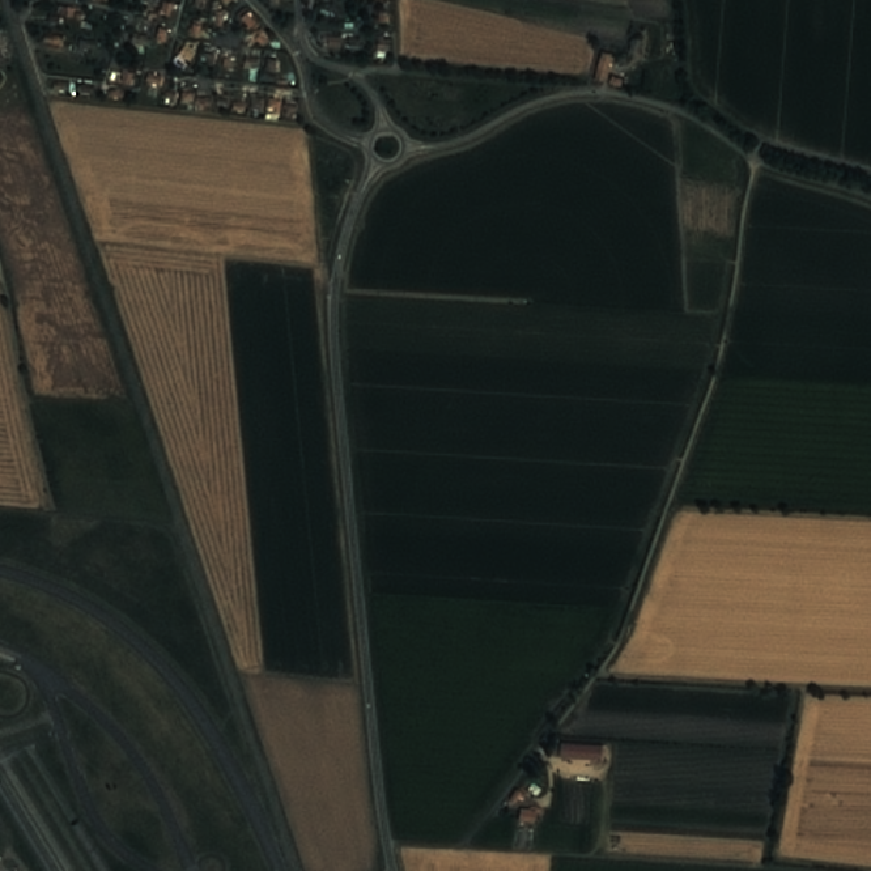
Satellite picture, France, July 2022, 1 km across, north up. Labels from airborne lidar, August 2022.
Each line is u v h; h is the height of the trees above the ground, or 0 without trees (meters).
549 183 0
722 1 0
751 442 0
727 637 0
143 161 0
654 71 0
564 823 0
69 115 0
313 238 0
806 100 0
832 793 0
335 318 0
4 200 0
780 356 0
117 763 0
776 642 0
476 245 0
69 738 0
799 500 0
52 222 0
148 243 0
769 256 0
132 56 7
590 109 0
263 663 0
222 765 0
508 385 0
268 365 0
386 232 0
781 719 0
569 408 0
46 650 0
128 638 0
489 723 0
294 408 0
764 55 0
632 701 0
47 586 0
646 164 0
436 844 0
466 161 0
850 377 0
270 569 0
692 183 0
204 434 0
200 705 0
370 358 0
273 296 0
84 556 0
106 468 0
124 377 0
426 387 0
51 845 0
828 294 0
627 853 0
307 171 0
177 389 0
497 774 0
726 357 0
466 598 0
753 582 0
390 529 0
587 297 0
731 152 0
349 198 0
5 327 0
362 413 0
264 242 0
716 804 0
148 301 0
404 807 0
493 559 0
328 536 0
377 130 0
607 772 0
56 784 0
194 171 0
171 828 0
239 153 0
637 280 0
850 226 0
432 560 0
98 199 0
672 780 0
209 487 0
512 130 0
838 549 0
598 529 0
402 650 0
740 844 0
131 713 0
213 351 0
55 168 0
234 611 0
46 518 0
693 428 0
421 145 0
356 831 0
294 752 0
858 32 0
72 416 0
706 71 0
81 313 0
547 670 0
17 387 0
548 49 0
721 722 0
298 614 0
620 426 0
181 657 0
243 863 0
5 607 0
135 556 0
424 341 0
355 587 0
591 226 0
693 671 0
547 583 0
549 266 0
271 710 0
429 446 0
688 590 0
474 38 0
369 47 8
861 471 0
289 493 0
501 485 0
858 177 20
